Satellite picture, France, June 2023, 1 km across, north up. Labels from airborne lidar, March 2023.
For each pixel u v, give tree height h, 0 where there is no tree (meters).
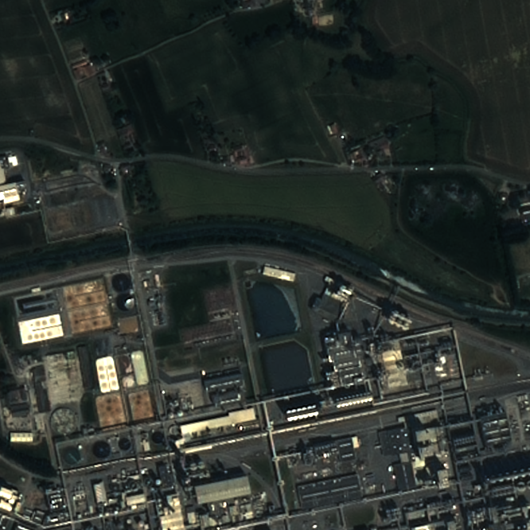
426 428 0
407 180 0
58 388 0
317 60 0
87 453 0
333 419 0
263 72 0
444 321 0
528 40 0
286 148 0
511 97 0
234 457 0
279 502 0
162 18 0
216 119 0
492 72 0
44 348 0
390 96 0
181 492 0
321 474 0
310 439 0
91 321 0
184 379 0
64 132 0
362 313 0
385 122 0
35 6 0
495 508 0
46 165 0
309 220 0
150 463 0
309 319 0
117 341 0
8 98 0
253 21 0
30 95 0
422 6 0
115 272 0
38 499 0
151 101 0
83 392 0
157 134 0
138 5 0
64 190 0
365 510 0
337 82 0
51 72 0
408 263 0
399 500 0
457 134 0
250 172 0
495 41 0
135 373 0
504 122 0
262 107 0
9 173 0
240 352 0
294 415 0
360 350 0
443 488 0
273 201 0
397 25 0
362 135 0
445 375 0
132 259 0
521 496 0
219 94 0
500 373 0
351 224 0
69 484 0
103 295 0
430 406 0
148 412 0
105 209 0
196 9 0
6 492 0
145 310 0
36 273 0
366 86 0
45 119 0
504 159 0
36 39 0
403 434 0
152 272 0
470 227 0
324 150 0
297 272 0
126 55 0
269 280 0
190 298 0
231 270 0
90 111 0
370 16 0
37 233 0
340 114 0
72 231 0
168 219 0
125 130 0
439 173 0
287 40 0
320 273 0
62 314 0
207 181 0
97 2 13
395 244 0
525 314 0
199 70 0
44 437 0
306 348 0
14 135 0
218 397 0
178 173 0
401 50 0
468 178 0
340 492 0
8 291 0
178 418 0
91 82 0
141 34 0
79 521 0
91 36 0
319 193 0
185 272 0
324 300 0
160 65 0
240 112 0
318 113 0
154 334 0
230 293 0
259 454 0
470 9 0
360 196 0
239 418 0
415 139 0
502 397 0
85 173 0
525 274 0
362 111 0
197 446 0
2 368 0
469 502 0
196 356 0
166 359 0
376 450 0
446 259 0
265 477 0
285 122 0
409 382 0
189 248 0
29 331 0
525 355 0
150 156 0
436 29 0
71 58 0
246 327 0
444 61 0
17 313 0
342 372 0
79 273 0
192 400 0
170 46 0
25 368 0
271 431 0
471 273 0
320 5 0
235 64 0
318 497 0
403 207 0
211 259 0
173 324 0
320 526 0
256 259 0
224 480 0
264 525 0
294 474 0
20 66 0
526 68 0
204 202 0
